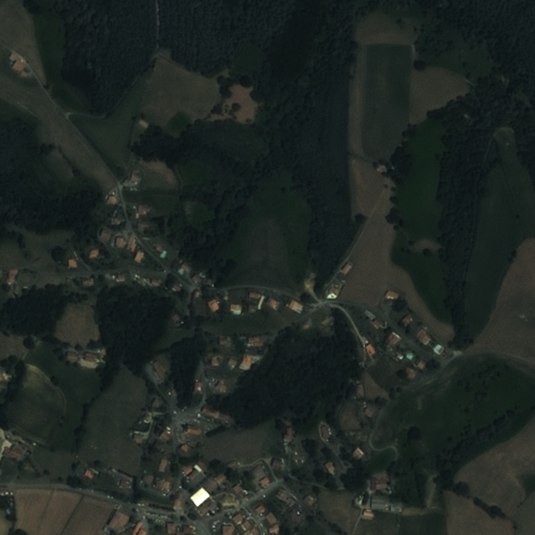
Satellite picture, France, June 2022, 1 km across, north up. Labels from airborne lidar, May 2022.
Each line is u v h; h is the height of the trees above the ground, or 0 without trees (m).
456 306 10
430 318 0
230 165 10
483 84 14
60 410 0
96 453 0
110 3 14
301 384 30
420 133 0
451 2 14
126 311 17
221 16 12
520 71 15
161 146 19
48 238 0
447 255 10
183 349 21
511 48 10
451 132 9
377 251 0
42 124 0
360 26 0
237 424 21
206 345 9
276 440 0
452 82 0
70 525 0
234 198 25
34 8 15
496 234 0
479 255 0
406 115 0
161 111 0
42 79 0
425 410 0
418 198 0
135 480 7
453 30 0
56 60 0
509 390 0
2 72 0
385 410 0
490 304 0
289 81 20
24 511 0
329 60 15
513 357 0
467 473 0
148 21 7
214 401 18
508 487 0
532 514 0
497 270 0
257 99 15
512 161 0
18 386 18
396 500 9
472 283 0
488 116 15
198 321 12
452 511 0
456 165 12
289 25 15
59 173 0
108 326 17
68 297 8
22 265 0
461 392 0
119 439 0
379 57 0
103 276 7
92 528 0
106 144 0
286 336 16
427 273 0
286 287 0
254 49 0
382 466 0
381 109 0
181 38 12
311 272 0
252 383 18
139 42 8
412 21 0
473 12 18
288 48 19
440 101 0
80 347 10
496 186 0
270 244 0
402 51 0
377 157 0
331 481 16
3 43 0
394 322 0
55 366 0
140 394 0
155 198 0
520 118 7
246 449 0
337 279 0
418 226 0
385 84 0
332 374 29
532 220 0
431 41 10
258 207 0
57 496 0
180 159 19
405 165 9
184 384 24
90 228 14
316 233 12
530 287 0
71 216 23
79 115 0
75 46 9
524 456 0
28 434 0
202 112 0
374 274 0
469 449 15
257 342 0
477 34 13
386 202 0
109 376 14
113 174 0
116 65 11
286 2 12
